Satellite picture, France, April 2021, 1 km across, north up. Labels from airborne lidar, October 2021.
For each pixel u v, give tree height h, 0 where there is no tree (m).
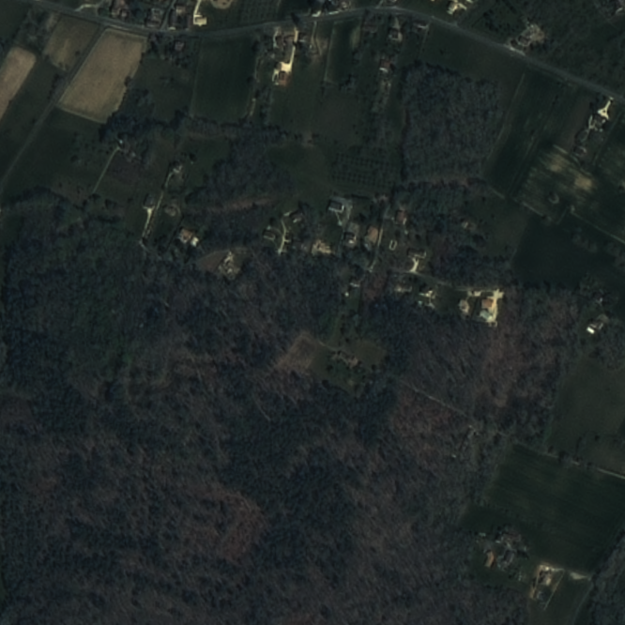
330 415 22
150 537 12
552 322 22
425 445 10
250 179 20
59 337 13
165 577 12
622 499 0
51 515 8
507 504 0
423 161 22
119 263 25
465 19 8
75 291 29
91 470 13
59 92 10
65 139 0
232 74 0
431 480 10
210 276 7
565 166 0
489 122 22
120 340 20
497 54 0
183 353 20
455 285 25
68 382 20
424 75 23
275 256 18
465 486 15
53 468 12
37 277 26
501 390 18
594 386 0
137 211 0
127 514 17
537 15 8
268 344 9
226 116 0
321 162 0
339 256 23
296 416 21
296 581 17
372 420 28
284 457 19
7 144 0
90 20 0
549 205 0
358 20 0
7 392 19
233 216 21
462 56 0
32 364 25
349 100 0
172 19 0
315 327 18
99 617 12
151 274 17
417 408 8
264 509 24
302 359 0
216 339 22
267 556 18
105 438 14
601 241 0
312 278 23
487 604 13
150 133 20
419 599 14
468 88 22
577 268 0
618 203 0
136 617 10
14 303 20
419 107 23
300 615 13
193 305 14
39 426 19
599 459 0
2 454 19
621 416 0
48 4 0
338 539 26
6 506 11
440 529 21
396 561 13
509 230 0
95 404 15
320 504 22
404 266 19
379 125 12
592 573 0
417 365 21
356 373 9
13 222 0
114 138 18
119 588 11
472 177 21
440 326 25
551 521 0
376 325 22
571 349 17
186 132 17
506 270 17
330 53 0
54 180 0
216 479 12
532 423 22
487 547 0
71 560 10
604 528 0
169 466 10
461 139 17
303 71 0
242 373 18
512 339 8
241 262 0
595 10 9
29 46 0
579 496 0
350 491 21
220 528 8
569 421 0
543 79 0
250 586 19
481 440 20
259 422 22
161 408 18
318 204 0
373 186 8
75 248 14
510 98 0
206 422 14
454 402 17
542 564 0
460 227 14
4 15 0
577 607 0
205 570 16
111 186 0
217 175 19
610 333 22
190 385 14
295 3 0
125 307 27
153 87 0
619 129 0
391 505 12
